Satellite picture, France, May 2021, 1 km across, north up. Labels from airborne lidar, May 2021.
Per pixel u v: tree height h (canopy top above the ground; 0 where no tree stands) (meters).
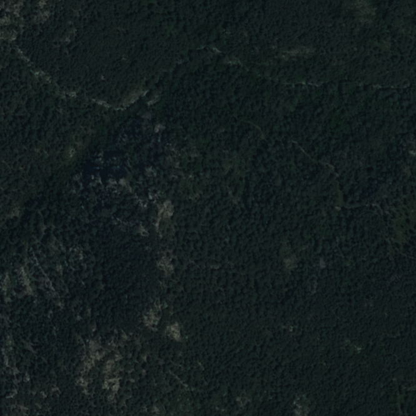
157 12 29
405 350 16
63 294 17
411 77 28
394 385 22
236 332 19
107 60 26
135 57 31
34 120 25
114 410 26
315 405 11
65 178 9
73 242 15
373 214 27
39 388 18
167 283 16
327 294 19
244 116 19
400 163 19
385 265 14
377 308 14
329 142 14
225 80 20
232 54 22
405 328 8
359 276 22
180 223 26
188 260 12
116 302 21
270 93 15
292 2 33
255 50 20
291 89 11
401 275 25
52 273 17
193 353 20
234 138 23
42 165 28
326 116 21
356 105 22
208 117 27
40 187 29
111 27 29
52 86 14
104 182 9
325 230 13
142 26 24
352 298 37
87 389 8
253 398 12
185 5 29
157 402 20
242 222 28
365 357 18
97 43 25
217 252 24
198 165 19
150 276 11
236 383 29
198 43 9
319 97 10
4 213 24
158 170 15
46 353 23
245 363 30
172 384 27
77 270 17
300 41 22
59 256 12
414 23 12
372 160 30
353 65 10
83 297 20
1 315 20
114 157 16
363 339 22
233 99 39
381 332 12
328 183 31
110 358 17
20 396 11
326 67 27
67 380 15
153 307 9
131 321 20
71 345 13
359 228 19
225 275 24
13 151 26
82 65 25
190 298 29
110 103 22
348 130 11
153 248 11
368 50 33
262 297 32
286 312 29
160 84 18
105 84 21
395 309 18
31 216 30
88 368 11
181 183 14
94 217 12
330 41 25
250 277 28
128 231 11
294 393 21
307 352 25
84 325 20
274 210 21
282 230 32
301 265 27
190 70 11
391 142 9
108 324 21
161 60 26
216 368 19
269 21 29
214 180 22
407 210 15
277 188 22
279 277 33
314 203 14
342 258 17
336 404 18
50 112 22
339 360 19
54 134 7
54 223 10
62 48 22
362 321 20
